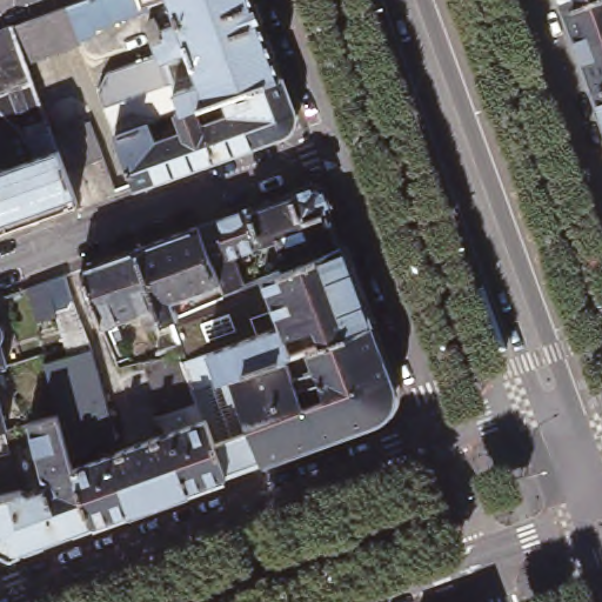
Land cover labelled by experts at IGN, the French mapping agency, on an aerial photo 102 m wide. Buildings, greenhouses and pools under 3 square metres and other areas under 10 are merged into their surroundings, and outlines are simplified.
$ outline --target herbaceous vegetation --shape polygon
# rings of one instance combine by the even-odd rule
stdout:
[[[42,327],[38,327],[35,322],[26,289],[12,294],[12,301],[16,301],[21,310],[21,322],[12,329],[19,339],[35,336],[42,332]]]

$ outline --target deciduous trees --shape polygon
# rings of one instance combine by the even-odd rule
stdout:
[[[590,602],[590,595],[583,583],[569,583],[557,593],[522,602]]]
[[[381,240],[381,252],[395,280],[400,301],[409,315],[409,334],[414,336],[419,350],[428,360],[428,369],[437,383],[435,395],[440,400],[442,416],[452,428],[468,426],[484,412],[477,379],[496,379],[506,372],[508,362],[501,355],[501,348],[496,346],[496,339],[487,325],[487,313],[475,292],[473,277],[463,263],[463,247],[459,247],[456,242],[444,198],[440,193],[435,172],[428,162],[419,134],[419,125],[404,96],[397,68],[386,49],[386,40],[379,31],[374,12],[369,9],[369,0],[292,0],[292,14],[301,24],[301,33],[308,38],[308,42],[301,49],[301,56],[306,54],[310,59],[322,85],[325,99],[334,111],[339,143],[350,155],[350,172],[357,181],[360,193],[367,200],[367,212]]]
[[[494,470],[475,473],[473,480],[477,506],[489,517],[515,510],[522,501],[520,487],[513,482],[510,473]]]
[[[583,179],[578,174],[578,167],[574,162],[564,125],[553,101],[543,92],[546,80],[541,75],[531,38],[524,28],[522,12],[515,0],[442,0],[447,7],[447,16],[454,26],[454,33],[463,47],[468,71],[475,80],[480,108],[484,113],[489,129],[494,132],[499,155],[510,176],[510,186],[517,193],[522,223],[534,242],[534,249],[541,256],[548,301],[564,329],[564,339],[574,357],[583,364],[583,379],[588,383],[590,395],[602,395],[602,233]]]
[[[332,494],[313,491],[310,496],[306,496],[301,506],[287,506],[263,513],[247,529],[202,536],[198,543],[169,550],[160,567],[127,569],[94,588],[71,588],[54,602],[381,602],[400,593],[407,593],[414,586],[444,586],[463,564],[463,524],[447,522],[447,515],[442,513],[442,499],[428,491],[428,477],[423,475],[423,468],[419,463],[412,463],[409,468],[381,477],[360,480],[353,487],[336,489]]]

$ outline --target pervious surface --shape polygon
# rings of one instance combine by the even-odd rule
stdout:
[[[174,343],[169,336],[148,334],[148,348],[143,353],[132,353],[136,362],[129,367],[134,376],[132,381],[146,383],[151,388],[160,388],[165,383],[165,376],[174,376],[179,383],[183,381],[181,364],[195,360],[195,355],[193,348]]]
[[[16,383],[12,402],[21,409],[21,414],[28,414],[38,388],[38,376],[42,372],[45,362],[42,357],[31,357],[16,362],[12,364],[12,376]]]

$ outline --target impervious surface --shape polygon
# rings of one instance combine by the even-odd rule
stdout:
[[[578,167],[578,174],[583,179],[602,233],[602,132],[600,125],[593,120],[593,111],[586,94],[578,89],[574,61],[567,54],[576,42],[560,26],[562,5],[555,5],[553,0],[515,0],[522,12],[524,28],[531,38],[541,75],[546,80],[543,92],[553,101],[564,125],[574,162]]]
[[[40,484],[35,477],[35,461],[31,456],[31,447],[26,440],[26,428],[7,428],[5,435],[0,435],[0,496],[21,494],[31,499],[35,496]]]
[[[376,433],[355,437],[350,442],[303,456],[273,470],[254,470],[240,475],[230,480],[223,489],[212,491],[207,496],[198,496],[181,506],[167,508],[155,515],[146,515],[141,520],[120,524],[94,536],[63,541],[19,562],[0,553],[0,602],[54,602],[71,588],[94,588],[127,569],[160,567],[169,550],[198,543],[202,536],[247,529],[263,513],[287,506],[301,506],[306,496],[310,496],[313,491],[332,494],[336,489],[353,487],[360,480],[381,477],[409,468],[412,463],[419,463],[423,468],[423,475],[428,477],[428,491],[442,499],[442,513],[447,515],[447,522],[463,524],[463,564],[444,586],[414,586],[407,593],[400,593],[381,602],[522,602],[557,593],[569,583],[583,583],[590,595],[590,602],[602,602],[602,395],[590,395],[588,383],[583,379],[583,364],[574,357],[564,339],[564,329],[548,301],[541,256],[534,249],[534,242],[522,223],[517,193],[510,186],[510,176],[499,155],[494,132],[489,129],[484,113],[480,108],[475,80],[468,71],[463,47],[454,33],[454,26],[447,16],[447,7],[442,0],[369,0],[369,9],[374,12],[379,31],[386,40],[386,49],[397,68],[404,96],[419,125],[419,134],[428,162],[435,172],[440,193],[444,198],[456,242],[459,247],[463,247],[463,263],[473,277],[475,292],[487,313],[487,325],[496,339],[496,346],[501,348],[501,355],[508,362],[506,372],[496,379],[477,379],[484,412],[468,426],[452,428],[442,416],[440,400],[435,395],[437,383],[428,369],[428,360],[419,350],[414,336],[409,334],[409,315],[400,301],[395,280],[381,252],[381,240],[367,212],[367,200],[360,193],[357,181],[350,172],[350,155],[339,143],[334,111],[325,99],[322,85],[310,59],[306,54],[301,56],[301,49],[308,42],[308,38],[301,33],[301,24],[292,14],[292,0],[249,0],[252,14],[259,24],[263,49],[268,52],[268,63],[273,66],[275,75],[287,82],[294,106],[303,108],[299,115],[294,115],[292,129],[277,139],[275,148],[249,153],[216,167],[207,167],[198,174],[158,186],[155,190],[143,195],[127,195],[129,186],[125,186],[122,176],[115,169],[122,136],[127,136],[127,132],[136,127],[148,127],[153,139],[174,134],[174,122],[169,113],[174,89],[165,87],[151,92],[146,99],[127,99],[127,103],[118,111],[115,106],[103,103],[103,85],[108,73],[132,66],[139,59],[148,59],[151,49],[162,40],[162,33],[167,28],[167,9],[165,5],[155,2],[143,5],[143,9],[151,14],[146,21],[132,19],[120,21],[115,26],[106,26],[80,47],[42,59],[40,63],[31,63],[28,71],[40,94],[40,106],[28,108],[26,113],[12,113],[0,118],[0,174],[45,160],[49,155],[59,155],[73,193],[71,202],[0,226],[0,327],[5,332],[2,348],[5,353],[9,353],[9,360],[16,362],[31,357],[42,357],[45,362],[78,357],[78,350],[66,348],[59,341],[56,320],[35,322],[38,327],[42,327],[42,332],[35,336],[19,339],[12,329],[21,322],[21,310],[16,301],[12,301],[12,294],[26,289],[71,273],[71,303],[78,313],[85,334],[96,329],[111,386],[118,390],[106,402],[106,419],[80,416],[68,372],[42,372],[38,376],[38,388],[28,414],[33,423],[42,419],[59,421],[71,466],[80,470],[82,463],[96,461],[101,456],[115,456],[120,449],[148,442],[158,433],[167,433],[167,428],[162,426],[162,416],[190,407],[190,388],[188,381],[183,381],[179,383],[174,376],[165,376],[165,383],[160,388],[151,388],[146,383],[132,381],[134,376],[129,367],[136,362],[132,353],[143,353],[148,348],[148,334],[169,336],[169,327],[162,327],[151,308],[143,315],[136,315],[132,327],[122,329],[115,327],[113,317],[99,320],[89,308],[89,296],[82,287],[80,268],[92,268],[103,261],[127,256],[127,245],[141,242],[148,247],[158,240],[186,233],[190,226],[200,226],[209,261],[219,277],[223,273],[223,263],[228,261],[223,249],[219,247],[221,219],[233,216],[240,209],[261,209],[266,205],[287,202],[292,195],[299,195],[301,190],[317,190],[329,202],[332,226],[327,228],[327,238],[336,247],[343,245],[353,249],[357,254],[360,268],[376,275],[376,303],[381,308],[381,315],[372,320],[372,329],[376,334],[393,381],[397,386],[409,386],[409,395],[400,400],[395,419]],[[475,473],[494,470],[510,473],[513,482],[520,487],[522,501],[515,510],[489,517],[477,506],[473,480]]]
[[[0,31],[52,14],[82,0],[0,0]]]

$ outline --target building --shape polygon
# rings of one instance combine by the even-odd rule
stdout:
[[[31,63],[40,63],[42,59],[80,47],[106,26],[115,26],[120,21],[132,19],[146,21],[151,14],[143,9],[143,5],[155,2],[165,5],[167,9],[167,28],[162,33],[162,40],[151,49],[148,59],[139,59],[132,66],[108,73],[103,85],[103,103],[115,106],[118,111],[127,103],[127,99],[146,99],[151,92],[165,87],[174,89],[169,113],[174,122],[174,134],[153,139],[148,127],[136,127],[127,132],[127,136],[122,136],[115,169],[122,176],[125,186],[129,186],[127,195],[143,195],[155,190],[158,186],[198,174],[207,167],[216,167],[249,153],[275,148],[277,139],[292,129],[294,115],[299,115],[303,108],[294,106],[287,82],[275,75],[273,66],[268,63],[268,52],[263,49],[259,24],[252,14],[249,0],[82,0],[52,14],[0,31],[0,118],[12,113],[26,113],[28,108],[40,106],[40,94],[28,71]]]
[[[261,209],[240,209],[233,216],[221,219],[219,247],[223,249],[228,261],[223,263],[223,273],[219,277],[209,261],[200,226],[190,226],[186,233],[158,240],[148,247],[141,242],[127,245],[127,256],[103,261],[92,268],[80,268],[82,287],[89,296],[89,308],[99,320],[113,317],[115,327],[122,329],[132,327],[136,315],[143,315],[151,308],[162,327],[169,327],[169,336],[174,343],[193,348],[195,355],[195,360],[181,364],[183,381],[188,381],[190,388],[190,407],[162,416],[162,426],[167,428],[167,433],[158,433],[148,442],[120,449],[115,456],[101,456],[96,461],[82,463],[80,470],[71,466],[59,421],[42,419],[33,423],[28,414],[21,414],[21,409],[12,402],[16,383],[12,376],[12,364],[16,362],[9,360],[9,353],[5,353],[2,348],[5,332],[0,327],[0,435],[5,435],[7,428],[26,428],[26,440],[31,447],[31,456],[35,461],[35,477],[40,484],[35,496],[31,499],[21,494],[0,496],[0,553],[19,562],[63,541],[94,536],[120,524],[141,520],[146,515],[155,515],[167,508],[181,506],[198,496],[207,496],[212,491],[223,489],[230,480],[240,475],[254,470],[273,470],[303,456],[350,442],[355,437],[376,433],[395,419],[400,400],[409,395],[409,386],[397,386],[393,381],[376,334],[372,329],[372,320],[381,315],[381,308],[376,303],[376,275],[360,268],[357,254],[353,249],[343,245],[336,247],[327,238],[327,228],[332,226],[329,202],[317,190],[301,190],[299,195],[292,195],[287,202],[266,205]]]
[[[56,320],[59,341],[66,348],[78,350],[78,357],[45,362],[42,372],[68,372],[80,416],[106,419],[106,402],[118,390],[111,386],[96,329],[85,334],[78,313],[71,303],[71,273],[26,289],[35,322]]]
[[[71,202],[73,193],[59,155],[49,155],[45,160],[0,174],[0,226]]]
[[[593,111],[593,120],[600,125],[602,132],[602,0],[553,0],[555,5],[562,5],[560,26],[576,42],[567,54],[574,61],[578,89],[586,94]]]

